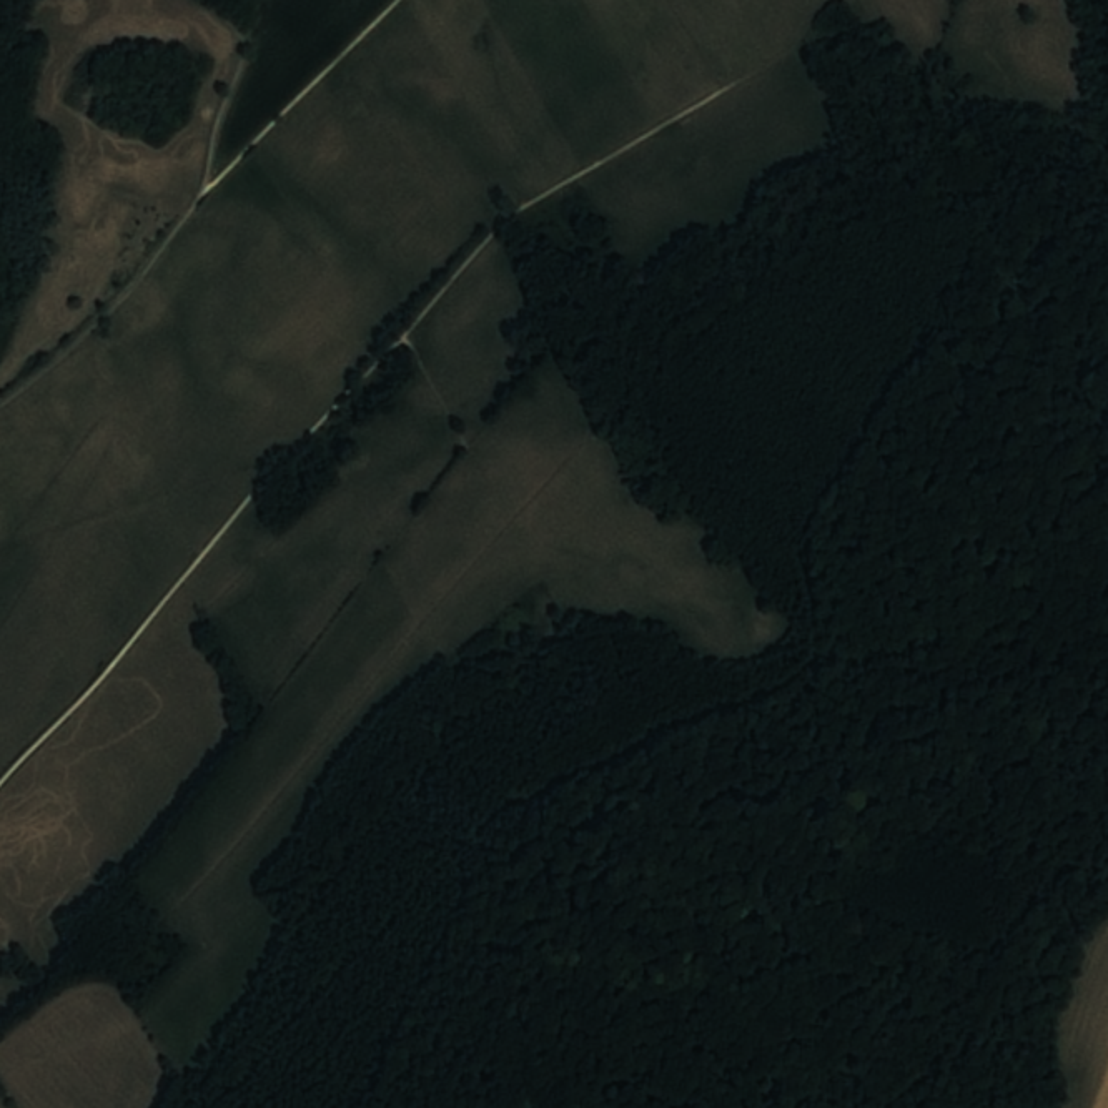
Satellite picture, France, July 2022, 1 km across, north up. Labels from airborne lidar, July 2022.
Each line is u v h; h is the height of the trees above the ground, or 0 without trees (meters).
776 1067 24
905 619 32
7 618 0
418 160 0
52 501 0
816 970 25
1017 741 31
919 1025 24
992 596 31
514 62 0
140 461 0
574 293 24
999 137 22
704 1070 24
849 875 31
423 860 19
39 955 0
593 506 0
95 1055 0
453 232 0
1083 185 25
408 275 0
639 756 29
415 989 17
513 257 6
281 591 0
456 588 0
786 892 29
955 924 20
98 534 0
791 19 0
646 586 0
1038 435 33
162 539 0
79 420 0
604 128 0
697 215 0
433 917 21
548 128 0
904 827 22
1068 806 23
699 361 20
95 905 23
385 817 19
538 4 0
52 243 17
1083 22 21
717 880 30
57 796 0
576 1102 28
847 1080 19
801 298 18
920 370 24
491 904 33
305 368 0
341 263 0
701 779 34
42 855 0
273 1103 19
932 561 32
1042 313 27
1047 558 31
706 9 0
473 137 0
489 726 22
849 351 18
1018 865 23
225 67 0
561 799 33
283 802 0
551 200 0
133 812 0
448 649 0
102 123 16
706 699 16
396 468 0
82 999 0
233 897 0
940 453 26
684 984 26
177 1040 0
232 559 0
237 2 24
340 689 0
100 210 0
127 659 0
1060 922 29
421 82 0
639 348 22
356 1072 18
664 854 32
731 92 0
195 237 0
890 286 19
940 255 20
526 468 0
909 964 17
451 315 0
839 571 29
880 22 6
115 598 0
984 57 0
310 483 24
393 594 0
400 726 20
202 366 0
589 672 23
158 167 0
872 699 29
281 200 0
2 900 0
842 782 8
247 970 0
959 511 29
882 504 32
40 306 0
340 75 0
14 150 23
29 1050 0
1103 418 8
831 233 21
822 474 16
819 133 0
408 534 0
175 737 0
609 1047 27
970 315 31
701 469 18
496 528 0
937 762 33
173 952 10
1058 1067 23
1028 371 34
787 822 35
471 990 35
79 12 0
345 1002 18
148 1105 0
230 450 0
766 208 23
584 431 0
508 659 21
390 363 20
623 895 31
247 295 0
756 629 0
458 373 0
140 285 0
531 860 33
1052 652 31
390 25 0
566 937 30
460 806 26
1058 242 22
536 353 25
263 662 0
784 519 18
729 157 0
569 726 23
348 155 0
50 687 0
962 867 19
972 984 23
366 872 18
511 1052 32
